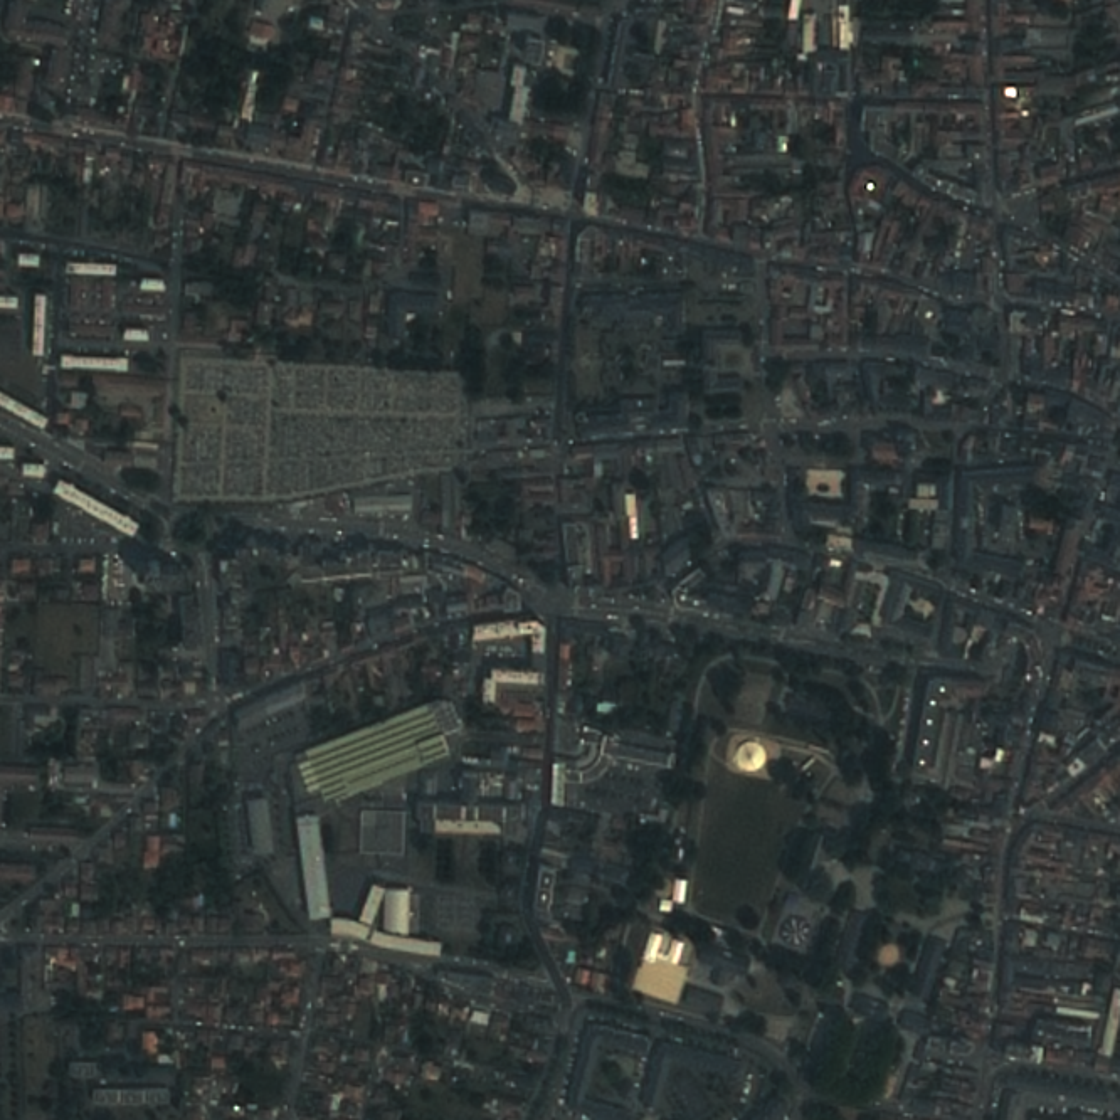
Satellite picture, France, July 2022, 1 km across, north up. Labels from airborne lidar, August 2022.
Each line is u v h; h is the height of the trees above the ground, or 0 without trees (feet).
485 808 0
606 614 0
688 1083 0
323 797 0
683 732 47
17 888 26
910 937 26
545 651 0
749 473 0
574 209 0
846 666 37
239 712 0
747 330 37
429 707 0
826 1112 68
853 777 35
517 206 0
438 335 30
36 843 0
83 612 0
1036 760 0
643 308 0
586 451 0
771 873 0
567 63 0
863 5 27
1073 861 0
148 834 0
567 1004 0
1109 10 0
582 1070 0
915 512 38
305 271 43
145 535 59
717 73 0
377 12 0
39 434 0
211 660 0
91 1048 67
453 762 0
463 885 0
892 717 0
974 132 0
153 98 20
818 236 0
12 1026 31
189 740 0
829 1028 76
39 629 0
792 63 18
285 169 0
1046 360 0
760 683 0
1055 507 43
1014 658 0
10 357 0
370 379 0
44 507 30
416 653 20
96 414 25
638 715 32
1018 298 0
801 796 44
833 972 101
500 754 0
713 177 0
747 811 0
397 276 0
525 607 0
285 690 0
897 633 0
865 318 18
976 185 0
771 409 0
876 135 0
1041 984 0
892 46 24
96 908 30
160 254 22
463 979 0
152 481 46
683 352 39
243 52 19
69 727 25
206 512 30
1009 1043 0
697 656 29
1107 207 0
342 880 0
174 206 0
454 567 0
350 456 0
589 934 26
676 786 49
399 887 0
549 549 0
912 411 26
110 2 0
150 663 39
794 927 0
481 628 0
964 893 0
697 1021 0
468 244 0
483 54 0
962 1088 0
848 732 54
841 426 0
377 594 0
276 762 0
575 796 0
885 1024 73
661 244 0
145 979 28
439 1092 0
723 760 0
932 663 0
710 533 26
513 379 53
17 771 0
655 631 34
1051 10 51
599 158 0
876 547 0
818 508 0
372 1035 18
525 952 27
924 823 68
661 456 0
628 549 0
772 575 0
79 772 0
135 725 22
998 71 0
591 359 0
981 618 0
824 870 62
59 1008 33
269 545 0
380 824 0
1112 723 0
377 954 0
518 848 34
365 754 0
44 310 0
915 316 0
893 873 60
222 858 30
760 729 0
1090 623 0
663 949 0
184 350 0
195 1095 0
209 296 21
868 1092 84
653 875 55
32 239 0
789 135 21
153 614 33
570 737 0
